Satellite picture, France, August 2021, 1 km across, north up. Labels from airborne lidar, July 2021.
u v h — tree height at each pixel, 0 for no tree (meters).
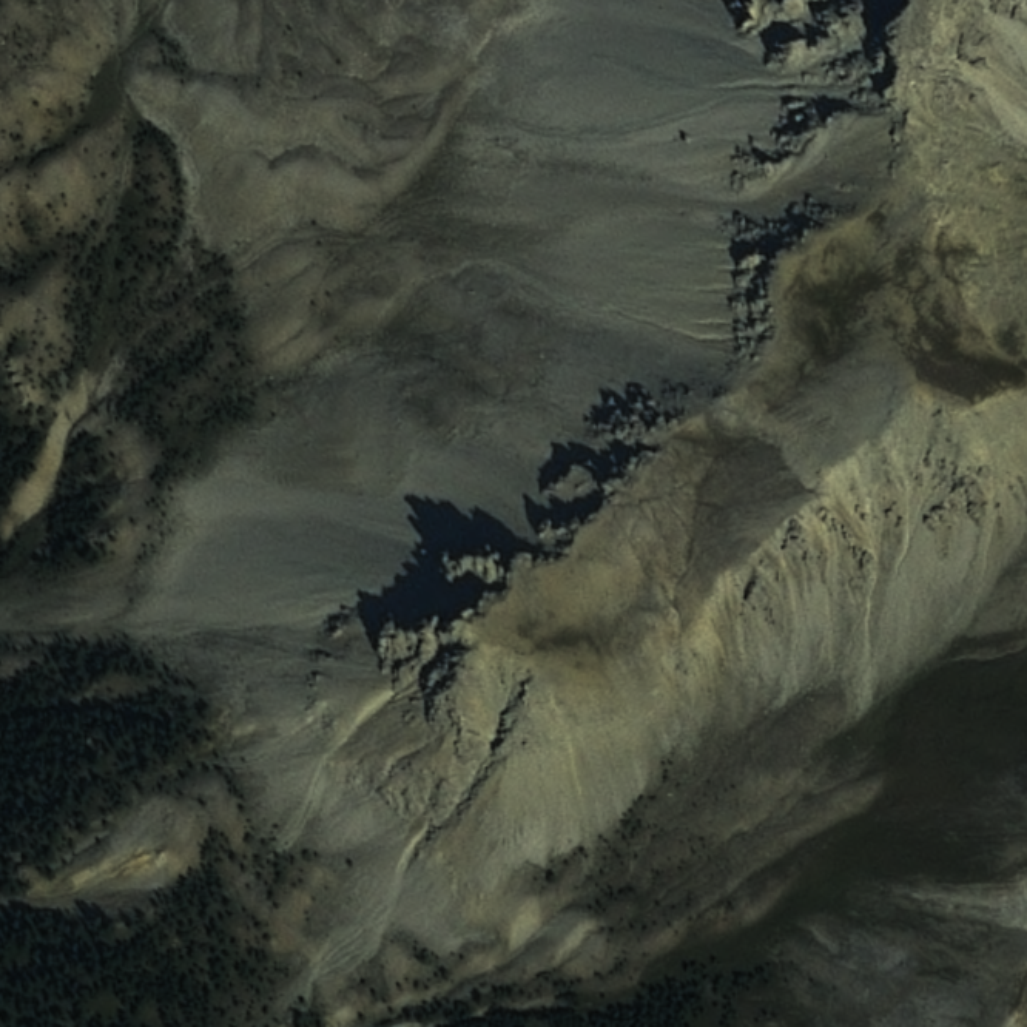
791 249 0
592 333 0
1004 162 0
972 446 0
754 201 0
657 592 0
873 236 0
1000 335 0
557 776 0
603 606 0
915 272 0
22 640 0
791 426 0
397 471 0
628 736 0
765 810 0
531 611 0
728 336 0
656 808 0
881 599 0
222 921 11
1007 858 0
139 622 0
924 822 0
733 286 0
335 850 0
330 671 0
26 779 17
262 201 0
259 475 0
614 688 0
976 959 0
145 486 0
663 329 0
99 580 0
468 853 0
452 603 0
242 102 0
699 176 0
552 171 0
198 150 0
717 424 0
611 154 0
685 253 0
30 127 0
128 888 0
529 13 0
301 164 0
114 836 0
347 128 0
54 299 0
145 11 0
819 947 0
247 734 0
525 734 0
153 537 0
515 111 0
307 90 0
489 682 0
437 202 0
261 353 0
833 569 0
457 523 0
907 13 0
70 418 0
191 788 0
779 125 0
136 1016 13
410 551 0
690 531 0
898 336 0
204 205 0
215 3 0
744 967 0
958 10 0
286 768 0
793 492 0
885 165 0
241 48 0
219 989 16
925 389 0
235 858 11
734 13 0
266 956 13
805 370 0
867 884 0
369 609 0
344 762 0
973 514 0
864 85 0
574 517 0
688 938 0
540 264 0
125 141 0
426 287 0
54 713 8
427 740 0
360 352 0
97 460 7
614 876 0
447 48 0
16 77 0
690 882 0
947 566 0
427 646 0
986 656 0
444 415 0
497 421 0
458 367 0
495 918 0
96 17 0
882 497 0
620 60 0
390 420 0
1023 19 0
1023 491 0
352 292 0
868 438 0
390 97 0
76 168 0
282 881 6
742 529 0
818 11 0
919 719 0
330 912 0
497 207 0
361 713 0
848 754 0
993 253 0
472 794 0
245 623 0
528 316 0
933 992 0
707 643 0
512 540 0
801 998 0
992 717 0
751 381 0
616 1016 8
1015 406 0
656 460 0
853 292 0
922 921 0
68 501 12
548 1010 6
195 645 0
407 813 0
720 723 0
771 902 0
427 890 0
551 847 0
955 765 0
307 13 0
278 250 0
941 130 0
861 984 0
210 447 0
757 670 0
